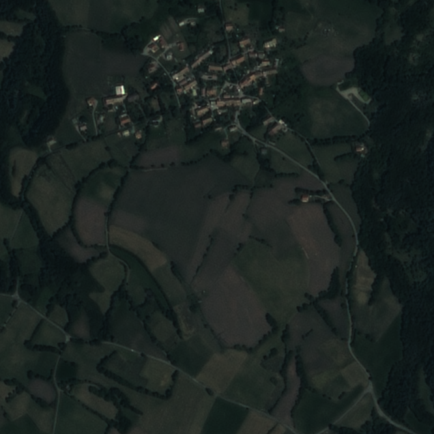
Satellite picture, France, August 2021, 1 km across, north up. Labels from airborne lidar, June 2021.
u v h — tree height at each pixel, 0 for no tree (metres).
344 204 0
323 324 0
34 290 13
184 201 0
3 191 26
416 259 13
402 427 0
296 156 0
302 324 0
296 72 6
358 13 0
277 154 0
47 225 0
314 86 0
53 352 14
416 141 20
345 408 0
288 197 0
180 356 0
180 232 0
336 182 0
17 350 0
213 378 0
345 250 0
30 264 0
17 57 24
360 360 0
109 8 0
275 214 0
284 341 13
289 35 0
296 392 0
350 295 13
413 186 27
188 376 0
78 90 0
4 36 16
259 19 0
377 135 17
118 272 0
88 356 0
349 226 0
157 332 0
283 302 0
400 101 20
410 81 28
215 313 0
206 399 0
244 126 0
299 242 0
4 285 17
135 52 21
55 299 13
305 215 0
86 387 0
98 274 0
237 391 0
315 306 9
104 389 13
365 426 14
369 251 19
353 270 9
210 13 8
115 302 17
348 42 0
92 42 0
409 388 16
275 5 15
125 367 0
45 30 22
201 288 0
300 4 0
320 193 15
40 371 0
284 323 0
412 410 15
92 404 0
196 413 0
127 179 13
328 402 0
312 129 0
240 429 0
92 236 0
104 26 0
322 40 0
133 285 0
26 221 0
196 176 0
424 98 12
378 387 0
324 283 0
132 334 0
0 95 9
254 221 0
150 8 0
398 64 11
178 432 0
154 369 0
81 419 0
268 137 9
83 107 0
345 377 0
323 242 0
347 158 11
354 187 15
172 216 0
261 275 0
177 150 0
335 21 0
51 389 0
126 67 0
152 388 0
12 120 10
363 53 18
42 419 0
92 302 0
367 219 19
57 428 0
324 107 0
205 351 0
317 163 10
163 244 0
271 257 0
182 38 0
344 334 0
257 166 0
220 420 0
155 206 0
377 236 30
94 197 0
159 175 0
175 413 0
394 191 23
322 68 0
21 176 0
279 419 0
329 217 13
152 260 0
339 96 0
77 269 14
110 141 0
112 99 0
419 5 12
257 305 0
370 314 0
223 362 0
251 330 0
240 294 0
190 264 0
